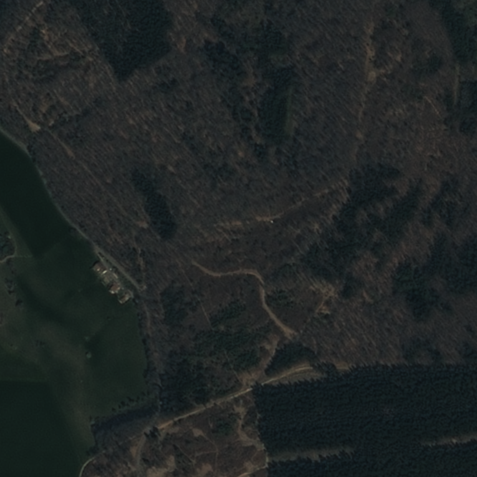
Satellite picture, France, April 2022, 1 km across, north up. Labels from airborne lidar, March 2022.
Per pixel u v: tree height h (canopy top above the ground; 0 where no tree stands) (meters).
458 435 23
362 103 23
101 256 8
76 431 0
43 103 26
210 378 8
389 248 16
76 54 8
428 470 30
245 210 26
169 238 27
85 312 0
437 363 32
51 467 0
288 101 22
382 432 34
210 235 26
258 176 32
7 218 0
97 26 19
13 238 0
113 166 26
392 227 18
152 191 26
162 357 26
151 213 25
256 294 8
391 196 23
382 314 28
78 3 27
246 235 10
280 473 27
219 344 12
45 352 0
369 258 23
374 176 20
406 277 32
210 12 38
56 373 0
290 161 34
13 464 0
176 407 27
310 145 31
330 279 31
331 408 24
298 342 26
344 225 17
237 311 9
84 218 26
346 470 31
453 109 12
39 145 25
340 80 28
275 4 25
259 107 33
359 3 29
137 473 0
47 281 0
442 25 29
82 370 0
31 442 0
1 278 0
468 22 20
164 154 28
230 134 26
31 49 8
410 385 25
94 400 0
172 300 12
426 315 25
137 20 19
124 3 19
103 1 17
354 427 22
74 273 0
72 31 22
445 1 27
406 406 27
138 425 34
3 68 26
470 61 25
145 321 24
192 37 30
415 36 19
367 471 30
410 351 29
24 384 0
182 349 8
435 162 12
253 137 20
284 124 23
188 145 29
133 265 25
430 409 25
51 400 0
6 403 0
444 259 25
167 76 26
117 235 22
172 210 24
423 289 28
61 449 0
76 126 25
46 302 0
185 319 11
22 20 24
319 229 0
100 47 12
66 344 0
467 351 25
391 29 14
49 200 0
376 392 31
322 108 31
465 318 0
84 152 25
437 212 32
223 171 23
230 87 25
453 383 33
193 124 26
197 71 27
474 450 28
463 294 21
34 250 0
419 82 19
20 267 0
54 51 26
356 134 19
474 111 27
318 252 13
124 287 0
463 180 27
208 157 30
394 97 24
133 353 0
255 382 0
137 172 22
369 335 31
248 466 0
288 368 20
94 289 0
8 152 0
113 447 33
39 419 0
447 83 18
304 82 29
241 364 8
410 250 0
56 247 0
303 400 34
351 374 0
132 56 21
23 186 0
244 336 11
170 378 21
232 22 30
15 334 0
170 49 21
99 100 21
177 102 22
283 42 33
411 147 20
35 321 0
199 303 9
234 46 26
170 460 0
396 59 25
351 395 35
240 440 0
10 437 0
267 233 7
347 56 23
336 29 31
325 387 23
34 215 0
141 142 25
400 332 31
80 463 0
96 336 0
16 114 27
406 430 31
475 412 21
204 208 26
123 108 26
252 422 7
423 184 21
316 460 0
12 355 0
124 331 0
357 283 28
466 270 19
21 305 17
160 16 20
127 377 0
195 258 25
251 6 21
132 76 22
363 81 23
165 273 0
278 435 23
